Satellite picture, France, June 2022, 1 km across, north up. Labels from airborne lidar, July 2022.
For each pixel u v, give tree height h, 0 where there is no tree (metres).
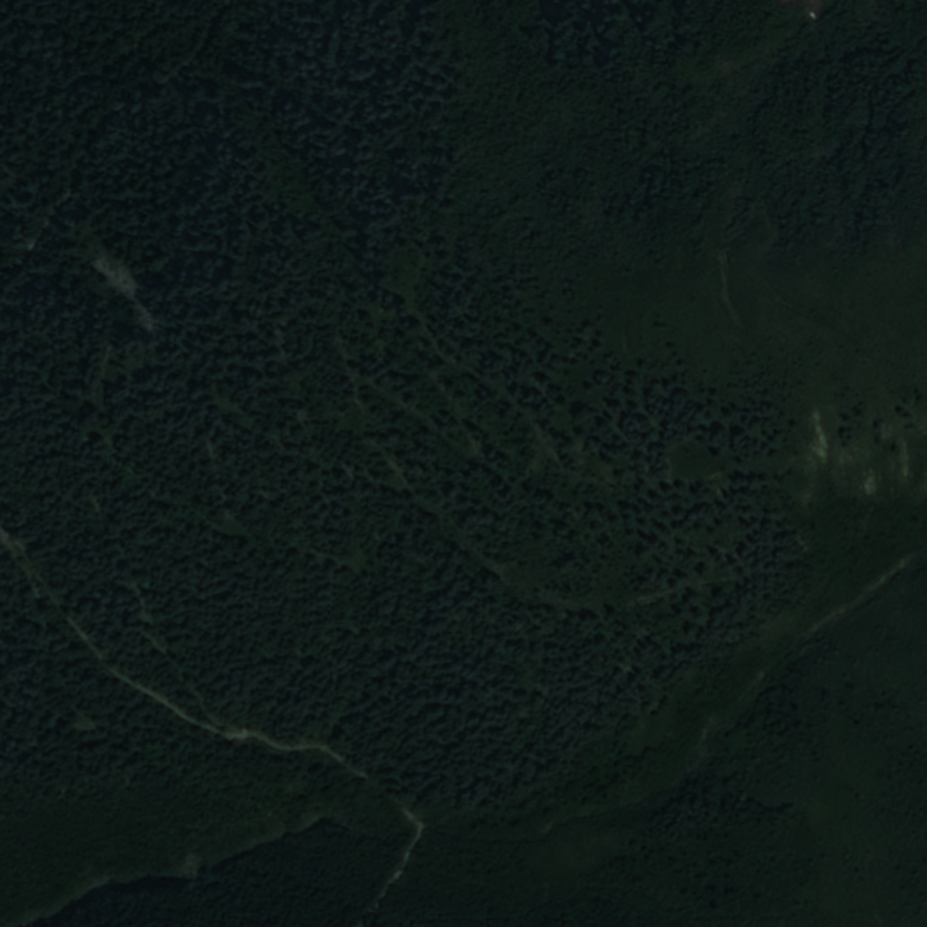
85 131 17
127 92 11
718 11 8
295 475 19
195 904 7
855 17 6
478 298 7
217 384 10
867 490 0
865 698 0
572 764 10
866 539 8
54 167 25
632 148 6
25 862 14
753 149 6
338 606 13
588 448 10
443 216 6
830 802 0
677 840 9
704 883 10
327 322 8
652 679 9
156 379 25
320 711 27
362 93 31
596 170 6
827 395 0
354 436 11
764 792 0
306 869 7
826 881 0
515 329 8
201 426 8
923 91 8
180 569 21
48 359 16
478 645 11
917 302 0
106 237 8
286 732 28
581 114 7
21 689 9
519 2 7
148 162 23
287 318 6
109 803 15
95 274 14
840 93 8
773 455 23
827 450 0
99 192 18
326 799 16
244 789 8
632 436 27
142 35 10
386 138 36
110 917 12
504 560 14
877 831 0
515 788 26
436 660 31
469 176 7
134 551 25
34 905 9
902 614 0
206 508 15
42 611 27
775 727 7
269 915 10
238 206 8
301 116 34
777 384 7
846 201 6
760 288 0
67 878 11
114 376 0
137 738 24
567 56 6
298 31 27
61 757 28
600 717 27
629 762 10
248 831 6
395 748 16
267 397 20
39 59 16
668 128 8
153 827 15
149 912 11
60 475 18
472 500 9
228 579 21
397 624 18
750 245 0
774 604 10
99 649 25
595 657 23
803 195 7
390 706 24
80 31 16
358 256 5
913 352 0
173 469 12
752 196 6
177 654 13
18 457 15
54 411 15
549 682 27
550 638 8
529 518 11
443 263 8
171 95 8
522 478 9
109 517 10
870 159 9
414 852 7
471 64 7
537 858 0
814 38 6
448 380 6
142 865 12
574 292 8
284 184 5
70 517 16
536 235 9
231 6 8
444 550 8
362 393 10
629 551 5
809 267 0
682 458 0
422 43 8
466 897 5
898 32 6
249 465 22
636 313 0
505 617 8
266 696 12
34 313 28
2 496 31
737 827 7
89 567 34
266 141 7
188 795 17
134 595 24
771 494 11
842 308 0
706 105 5
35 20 19
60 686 10
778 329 0
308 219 6
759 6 6
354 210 7
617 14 24
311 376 8
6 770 31
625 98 11
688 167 8
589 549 7
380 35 33
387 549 16
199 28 15
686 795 8
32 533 15
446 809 7
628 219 7
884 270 0
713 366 0
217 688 11
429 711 26
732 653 10
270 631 18
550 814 10
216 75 7
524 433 8
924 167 8
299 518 15
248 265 8
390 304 27
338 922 10
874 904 0
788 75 13
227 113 10
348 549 11
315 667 29
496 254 10
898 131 9
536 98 8
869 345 0
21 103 24
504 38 7
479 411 7
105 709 19
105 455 13
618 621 8
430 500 10
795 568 24
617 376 9
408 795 23
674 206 5
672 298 0
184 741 18
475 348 28
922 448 0
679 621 9
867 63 7
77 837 13
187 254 13
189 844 7
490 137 7
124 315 8
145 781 20
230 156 29
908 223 6
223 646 24
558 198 8
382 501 10
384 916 7
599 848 0
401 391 15
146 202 9
